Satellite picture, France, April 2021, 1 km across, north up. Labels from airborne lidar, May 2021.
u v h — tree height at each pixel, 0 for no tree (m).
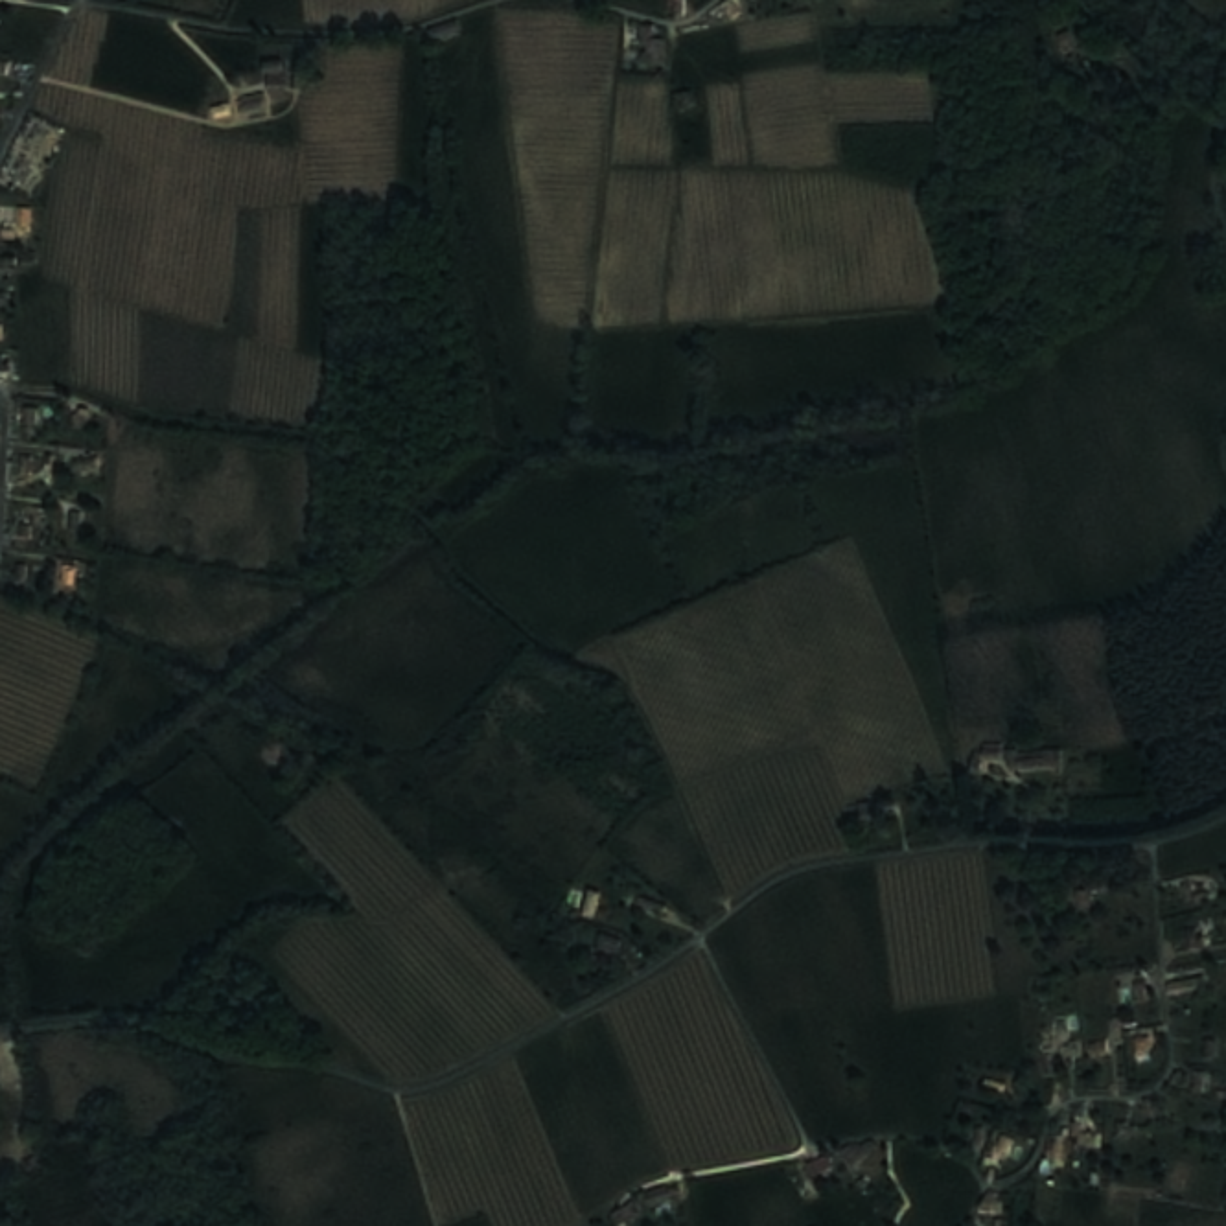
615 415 0
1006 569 0
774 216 0
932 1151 13
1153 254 20
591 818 0
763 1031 0
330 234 11
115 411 6
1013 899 14
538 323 0
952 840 18
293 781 11
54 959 0
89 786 14
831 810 0
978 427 0
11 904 11
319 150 0
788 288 0
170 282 0
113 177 0
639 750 18
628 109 0
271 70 0
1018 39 12
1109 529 0
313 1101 0
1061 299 22
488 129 0
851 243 0
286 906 13
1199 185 0
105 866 17
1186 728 16
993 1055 0
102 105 0
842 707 0
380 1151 0
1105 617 17
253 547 0
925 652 0
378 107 0
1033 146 15
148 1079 0
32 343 0
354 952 0
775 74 0
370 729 0
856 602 0
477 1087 0
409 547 14
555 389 0
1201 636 18
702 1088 0
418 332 17
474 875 0
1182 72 20
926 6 0
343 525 17
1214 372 0
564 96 0
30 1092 9
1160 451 0
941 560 0
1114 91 12
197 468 0
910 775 0
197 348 0
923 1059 0
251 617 0
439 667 0
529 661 7
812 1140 0
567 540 0
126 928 11
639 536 0
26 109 0
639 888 7
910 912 0
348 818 0
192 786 0
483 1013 0
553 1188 0
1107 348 0
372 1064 0
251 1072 0
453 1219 0
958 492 0
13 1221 20
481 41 0
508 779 0
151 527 0
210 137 0
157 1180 11
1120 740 19
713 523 0
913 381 0
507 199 0
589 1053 0
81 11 0
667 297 0
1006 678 22
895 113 0
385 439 19
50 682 0
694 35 0
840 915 0
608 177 0
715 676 0
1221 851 0
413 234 27
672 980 0
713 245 0
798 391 0
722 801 0
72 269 0
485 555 0
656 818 0
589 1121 0
